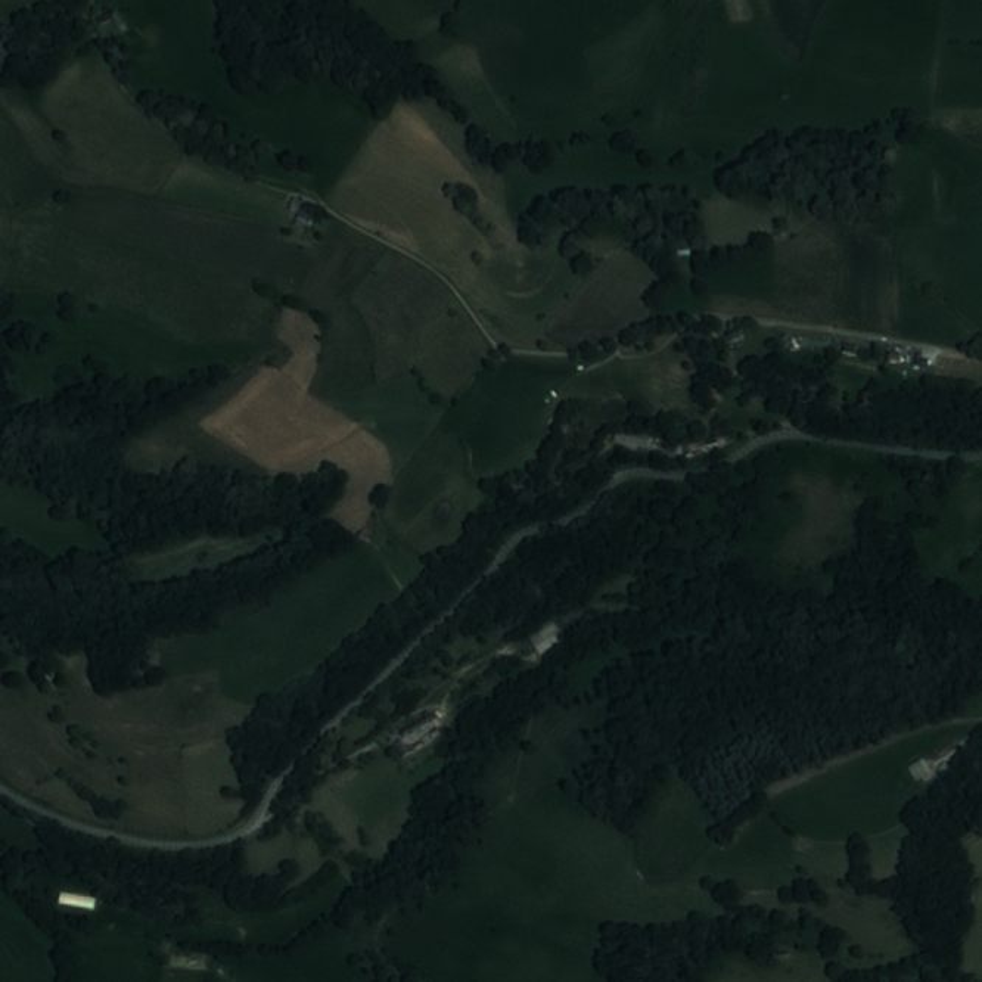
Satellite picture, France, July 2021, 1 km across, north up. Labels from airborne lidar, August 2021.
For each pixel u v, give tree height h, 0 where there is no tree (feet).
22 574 100
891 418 66
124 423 72
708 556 41
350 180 0
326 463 38
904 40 0
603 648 47
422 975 20
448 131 0
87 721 0
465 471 0
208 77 0
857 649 73
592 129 0
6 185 0
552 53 0
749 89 0
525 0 0
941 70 0
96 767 0
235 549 0
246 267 0
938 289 43
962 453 32
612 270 0
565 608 47
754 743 59
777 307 0
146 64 0
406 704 41
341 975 0
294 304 49
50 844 70
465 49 0
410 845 86
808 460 0
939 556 0
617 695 64
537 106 0
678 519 68
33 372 0
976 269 0
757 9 0
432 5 0
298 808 43
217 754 0
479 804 60
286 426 0
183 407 51
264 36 61
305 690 44
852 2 0
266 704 56
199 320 0
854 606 76
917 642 49
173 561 0
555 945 0
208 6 0
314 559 60
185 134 58
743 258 54
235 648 0
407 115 0
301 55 91
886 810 0
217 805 0
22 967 0
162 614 62
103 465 90
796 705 63
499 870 0
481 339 0
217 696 0
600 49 0
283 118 0
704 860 0
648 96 0
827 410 77
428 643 56
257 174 40
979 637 29
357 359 0
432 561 54
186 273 0
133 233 0
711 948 75
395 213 0
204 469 40
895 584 35
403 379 0
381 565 0
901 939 0
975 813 71
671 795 0
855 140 62
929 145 0
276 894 67
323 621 0
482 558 85
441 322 0
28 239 0
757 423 31
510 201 0
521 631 68
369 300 0
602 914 0
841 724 57
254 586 83
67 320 70
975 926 43
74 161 0
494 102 0
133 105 0
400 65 91
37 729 0
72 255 0
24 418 59
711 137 0
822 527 0
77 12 49
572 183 0
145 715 0
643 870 0
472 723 68
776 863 0
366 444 0
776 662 67
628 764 55
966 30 0
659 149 0
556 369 0
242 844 51
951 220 0
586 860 0
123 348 0
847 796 0
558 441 62
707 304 0
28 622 74
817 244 0
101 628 66
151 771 0
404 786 0
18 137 0
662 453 37
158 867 47
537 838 0
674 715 53
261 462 0
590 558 78
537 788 0
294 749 88
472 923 0
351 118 0
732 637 80
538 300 0
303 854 0
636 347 22
